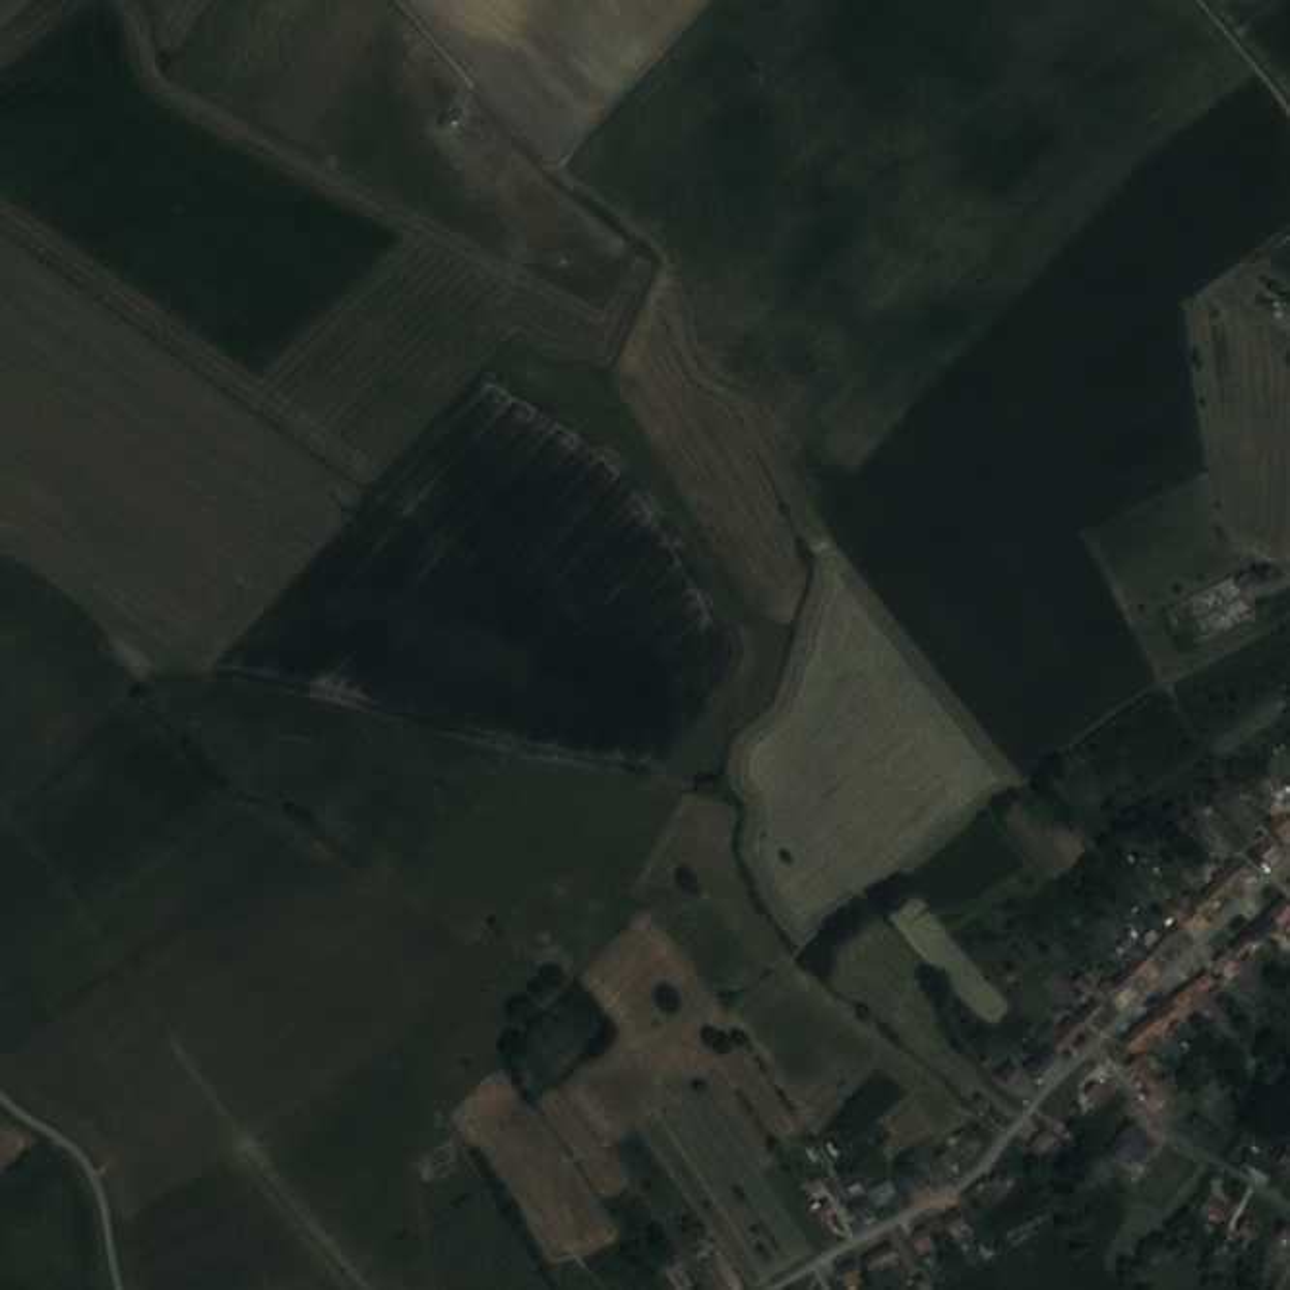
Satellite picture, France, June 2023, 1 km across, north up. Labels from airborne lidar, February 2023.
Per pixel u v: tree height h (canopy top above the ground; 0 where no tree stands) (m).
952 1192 0
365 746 0
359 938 0
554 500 0
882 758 0
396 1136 0
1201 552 0
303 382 0
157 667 0
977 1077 0
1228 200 0
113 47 0
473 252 0
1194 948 0
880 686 0
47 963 0
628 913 0
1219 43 0
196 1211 0
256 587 0
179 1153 0
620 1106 0
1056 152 0
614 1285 0
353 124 0
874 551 0
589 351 0
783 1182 0
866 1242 0
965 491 0
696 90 0
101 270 0
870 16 0
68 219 0
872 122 0
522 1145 0
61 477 0
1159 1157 0
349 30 0
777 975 0
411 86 0
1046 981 0
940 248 0
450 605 0
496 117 0
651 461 0
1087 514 0
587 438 0
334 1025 0
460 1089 0
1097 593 0
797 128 0
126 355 0
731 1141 0
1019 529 0
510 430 0
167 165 0
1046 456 0
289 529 0
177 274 0
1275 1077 20
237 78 0
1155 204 0
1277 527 0
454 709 0
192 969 0
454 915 0
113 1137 0
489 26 0
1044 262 0
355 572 0
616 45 0
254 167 0
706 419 0
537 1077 0
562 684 0
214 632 0
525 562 0
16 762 0
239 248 0
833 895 0
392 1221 0
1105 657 0
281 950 0
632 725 0
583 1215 0
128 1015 0
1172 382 0
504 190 0
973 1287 0
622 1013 0
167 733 0
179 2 0
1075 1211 16
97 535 0
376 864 0
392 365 0
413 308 0
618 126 0
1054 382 0
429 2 0
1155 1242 7
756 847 0
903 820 0
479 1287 0
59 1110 0
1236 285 0
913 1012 0
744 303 0
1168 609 0
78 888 0
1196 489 0
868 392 0
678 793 0
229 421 0
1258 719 0
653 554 0
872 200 0
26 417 0
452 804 0
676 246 0
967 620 0
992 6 0
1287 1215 0
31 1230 0
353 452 0
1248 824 0
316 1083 0
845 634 0
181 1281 0
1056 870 0
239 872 0
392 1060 0
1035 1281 0
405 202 0
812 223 0
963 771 0
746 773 0
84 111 0
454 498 0
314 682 0
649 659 0
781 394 0
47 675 0
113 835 0
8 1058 0
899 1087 0
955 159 0
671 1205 0
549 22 0
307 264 0
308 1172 0
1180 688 0
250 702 0
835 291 0
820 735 0
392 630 0
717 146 0
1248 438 0
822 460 0
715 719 0
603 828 0
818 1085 0
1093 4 0
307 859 0
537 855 0
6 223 0
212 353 0
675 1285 0
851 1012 0
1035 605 0
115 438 0
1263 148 0
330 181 0
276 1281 0
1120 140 0
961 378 0
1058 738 0
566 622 0
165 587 0
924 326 0
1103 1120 0
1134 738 0
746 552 0
